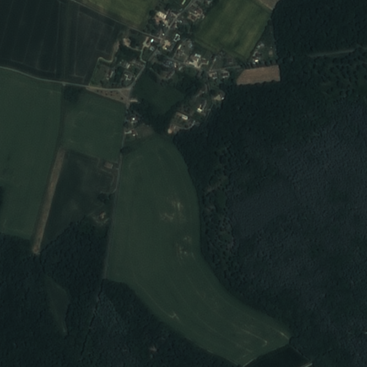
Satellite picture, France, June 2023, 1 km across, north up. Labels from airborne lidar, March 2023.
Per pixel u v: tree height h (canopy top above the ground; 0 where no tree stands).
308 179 23
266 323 0
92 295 20
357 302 19
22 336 22
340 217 19
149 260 0
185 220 0
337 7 23
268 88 26
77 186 0
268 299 25
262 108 27
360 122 16
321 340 22
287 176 19
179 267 0
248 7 0
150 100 0
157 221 0
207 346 0
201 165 25
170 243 0
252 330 0
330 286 23
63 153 0
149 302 0
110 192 0
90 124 0
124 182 0
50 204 0
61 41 0
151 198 0
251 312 0
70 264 23
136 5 0
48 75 0
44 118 0
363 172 21
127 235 0
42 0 0
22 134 0
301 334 13
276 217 13
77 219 0
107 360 21
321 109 22
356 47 20
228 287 8
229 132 24
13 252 15
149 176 0
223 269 22
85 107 0
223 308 0
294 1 24
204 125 15
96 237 21
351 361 18
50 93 0
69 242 22
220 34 0
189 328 0
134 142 0
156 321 21
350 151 25
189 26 11
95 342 21
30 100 0
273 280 23
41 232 0
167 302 0
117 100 0
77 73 0
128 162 0
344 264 18
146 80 0
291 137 22
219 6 0
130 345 22
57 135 0
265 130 25
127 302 23
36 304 25
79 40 0
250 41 0
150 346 24
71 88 6
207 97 14
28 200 0
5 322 24
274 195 15
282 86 25
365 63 28
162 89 0
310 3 28
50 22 0
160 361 23
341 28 21
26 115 0
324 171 23
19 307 23
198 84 13
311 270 23
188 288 0
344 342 22
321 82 27
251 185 17
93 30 0
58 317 0
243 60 0
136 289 0
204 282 0
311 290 21
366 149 24
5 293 23
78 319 21
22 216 0
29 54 0
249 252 18
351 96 20
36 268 17
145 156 0
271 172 19
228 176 25
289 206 15
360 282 16
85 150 0
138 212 0
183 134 17
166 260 0
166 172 0
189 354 25
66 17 0
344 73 27
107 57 0
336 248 20
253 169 21
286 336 0
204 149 23
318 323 23
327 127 18
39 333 24
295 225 21
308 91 24
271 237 14
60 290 0
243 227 15
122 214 0
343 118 14
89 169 0
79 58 0
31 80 0
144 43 0
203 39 0
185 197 0
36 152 0
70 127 0
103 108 0
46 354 21
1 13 0
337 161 24
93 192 0
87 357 22
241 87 16
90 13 0
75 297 10
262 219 14
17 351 21
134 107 13
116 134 0
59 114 0
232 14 0
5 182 0
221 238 22
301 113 22
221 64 0
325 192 21
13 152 0
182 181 0
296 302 23
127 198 0
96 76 0
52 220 0
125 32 0
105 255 20
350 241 18
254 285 24
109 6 0
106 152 0
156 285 0
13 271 22
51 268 22
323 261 22
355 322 21
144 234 0
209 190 18
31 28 0
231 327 0
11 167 0
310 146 22
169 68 7
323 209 19
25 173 0
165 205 0
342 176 20
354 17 28
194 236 0
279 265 22
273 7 0
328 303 22
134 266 0
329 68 26
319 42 24
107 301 18
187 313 0
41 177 0
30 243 15
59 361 24
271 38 0
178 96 0
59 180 0
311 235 19
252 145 22
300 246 23
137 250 0
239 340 0
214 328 0
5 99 0
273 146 21
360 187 21
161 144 0
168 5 11
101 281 17
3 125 0
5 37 0
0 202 7
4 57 0
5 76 0
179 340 21
